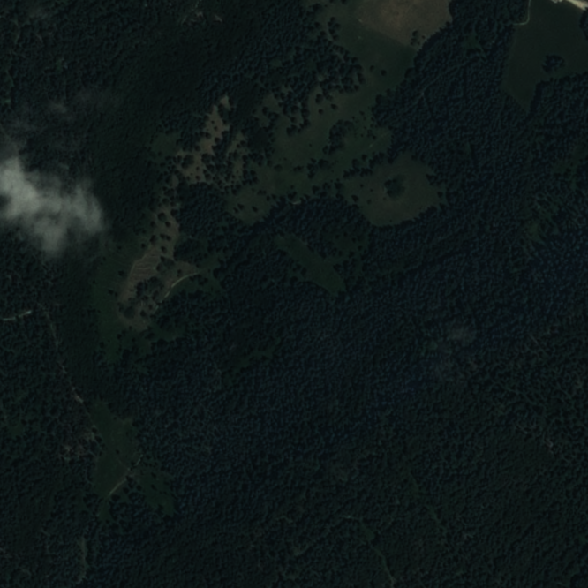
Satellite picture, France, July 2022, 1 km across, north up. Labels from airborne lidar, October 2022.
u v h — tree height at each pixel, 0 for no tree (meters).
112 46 13
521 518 23
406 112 17
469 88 29
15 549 18
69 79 16
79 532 17
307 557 15
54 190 16
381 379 29
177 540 17
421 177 0
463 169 25
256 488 20
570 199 28
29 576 12
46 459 10
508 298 18
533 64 0
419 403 19
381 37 0
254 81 13
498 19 16
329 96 15
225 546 14
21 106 24
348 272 21
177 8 16
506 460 16
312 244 19
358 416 18
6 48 19
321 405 25
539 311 16
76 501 19
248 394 26
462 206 18
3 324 16
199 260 20
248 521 17
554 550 28
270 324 12
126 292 0
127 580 17
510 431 19
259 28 21
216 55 22
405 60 0
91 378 21
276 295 17
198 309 22
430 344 29
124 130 25
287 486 21
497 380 21
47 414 17
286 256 27
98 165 15
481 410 17
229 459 19
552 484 19
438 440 19
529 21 0
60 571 20
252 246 27
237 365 9
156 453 16
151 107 26
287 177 0
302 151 0
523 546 22
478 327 14
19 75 20
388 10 0
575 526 16
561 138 19
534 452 19
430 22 0
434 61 22
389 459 18
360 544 19
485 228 26
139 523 17
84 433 25
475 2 25
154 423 25
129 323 0
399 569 14
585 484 13
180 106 17
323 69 27
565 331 17
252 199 0
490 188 29
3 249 20
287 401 33
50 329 14
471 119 24
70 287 22
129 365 20
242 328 15
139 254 0
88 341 24
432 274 31
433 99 19
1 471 20
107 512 0
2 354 13
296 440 25
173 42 25
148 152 12
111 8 23
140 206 20
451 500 15
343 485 14
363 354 29
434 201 0
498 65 23
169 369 14
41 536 14
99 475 0
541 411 22
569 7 0
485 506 20
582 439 22
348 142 0
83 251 21
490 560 20
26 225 16
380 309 28
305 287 14
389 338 28
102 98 17
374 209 0
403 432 23
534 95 0
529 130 28
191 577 17
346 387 31
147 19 15
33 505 17
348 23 0
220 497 23
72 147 20
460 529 16
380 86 0
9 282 14
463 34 26
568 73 0
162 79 23
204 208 23
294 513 20
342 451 18
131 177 17
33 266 22
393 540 13
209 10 25
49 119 14
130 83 17
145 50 20
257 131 19
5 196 17
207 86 20
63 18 22
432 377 21
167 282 0
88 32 8
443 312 21
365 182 0
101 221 29
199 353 35
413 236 14
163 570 14
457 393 14
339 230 22
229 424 33
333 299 30
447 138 27
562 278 27
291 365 18
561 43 0
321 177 0
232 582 14
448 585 21
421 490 8
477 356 15
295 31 14
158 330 0
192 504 25
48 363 20
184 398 27
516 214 31
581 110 31
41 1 14
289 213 17
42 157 18
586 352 14
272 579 11
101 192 22
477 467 12
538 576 22
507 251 32
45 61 15
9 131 19
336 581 18
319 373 30
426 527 21
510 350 19
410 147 34
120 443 0
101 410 0
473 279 31
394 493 12
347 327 28
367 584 22
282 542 17
